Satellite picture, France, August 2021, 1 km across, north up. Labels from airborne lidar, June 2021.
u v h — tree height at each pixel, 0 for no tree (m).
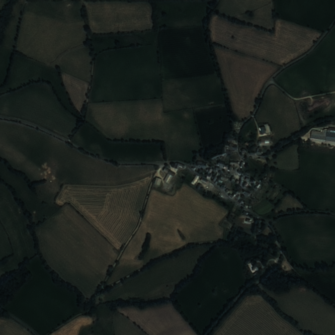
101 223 0
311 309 0
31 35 0
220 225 0
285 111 0
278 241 16
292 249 0
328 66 0
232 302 15
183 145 0
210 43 8
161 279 0
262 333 0
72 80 0
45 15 0
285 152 0
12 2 18
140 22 0
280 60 0
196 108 0
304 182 0
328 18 0
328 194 0
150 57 0
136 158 0
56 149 0
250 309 0
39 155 0
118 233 0
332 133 0
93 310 17
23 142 0
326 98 0
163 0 9
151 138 0
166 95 0
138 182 0
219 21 0
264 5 0
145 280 0
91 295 0
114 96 0
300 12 0
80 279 0
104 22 0
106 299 0
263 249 14
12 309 0
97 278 0
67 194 0
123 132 0
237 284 0
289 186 0
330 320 0
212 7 17
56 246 0
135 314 0
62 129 0
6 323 0
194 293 0
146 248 14
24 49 0
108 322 0
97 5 0
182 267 0
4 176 0
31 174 0
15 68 0
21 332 0
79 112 8
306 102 0
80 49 0
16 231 0
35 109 0
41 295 0
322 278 0
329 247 0
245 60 0
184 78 0
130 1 7
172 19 0
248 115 0
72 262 0
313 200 0
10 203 0
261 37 0
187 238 0
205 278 0
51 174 0
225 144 11
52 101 0
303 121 0
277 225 0
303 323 0
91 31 28
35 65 0
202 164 0
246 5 0
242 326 0
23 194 0
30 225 8
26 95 0
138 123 0
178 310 17
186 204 0
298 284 17
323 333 0
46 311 0
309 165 0
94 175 0
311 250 0
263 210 0
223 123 0
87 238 0
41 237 0
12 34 0
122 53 0
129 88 0
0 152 0
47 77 0
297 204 0
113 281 0
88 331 0
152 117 0
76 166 0
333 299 0
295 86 0
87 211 0
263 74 0
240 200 0
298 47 0
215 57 12
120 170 0
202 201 0
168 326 0
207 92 0
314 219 0
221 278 0
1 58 0
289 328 0
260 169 0
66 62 0
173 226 0
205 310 0
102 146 0
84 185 0
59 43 0
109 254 0
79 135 0
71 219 0
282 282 31
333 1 0
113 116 0
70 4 0
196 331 13
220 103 0
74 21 0
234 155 0
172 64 0
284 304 0
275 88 0
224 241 13
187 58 0
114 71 0
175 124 0
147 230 0
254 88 0
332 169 0
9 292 28
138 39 0
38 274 0
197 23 0
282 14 0
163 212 0
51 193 0
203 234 0
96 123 0
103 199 0
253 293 14
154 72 0
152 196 0
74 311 0
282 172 0
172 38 0
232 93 0
